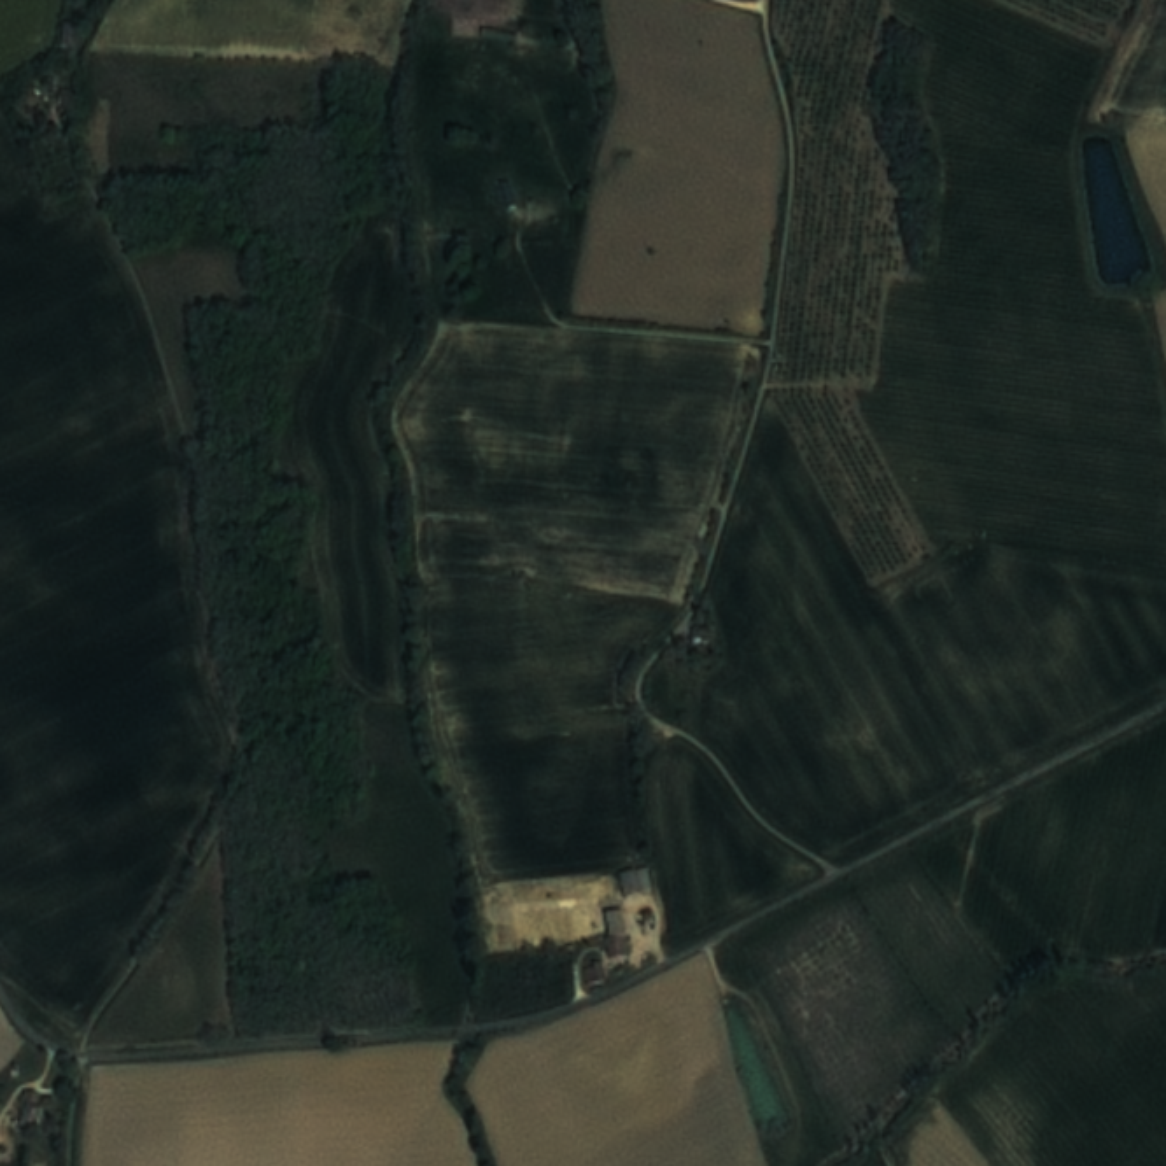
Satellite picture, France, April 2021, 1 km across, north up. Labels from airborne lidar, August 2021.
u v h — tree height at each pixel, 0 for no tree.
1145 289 28
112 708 0
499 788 0
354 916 19
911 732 0
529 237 0
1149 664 0
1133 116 0
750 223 0
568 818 0
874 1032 0
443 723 0
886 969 0
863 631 0
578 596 0
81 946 0
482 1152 20
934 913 11
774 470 0
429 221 0
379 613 0
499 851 0
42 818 0
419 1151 0
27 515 0
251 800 19
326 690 18
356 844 0
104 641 0
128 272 0
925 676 0
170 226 23
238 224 27
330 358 0
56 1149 16
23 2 0
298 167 20
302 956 21
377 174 21
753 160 0
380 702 0
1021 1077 0
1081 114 0
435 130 0
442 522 0
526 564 0
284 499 24
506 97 0
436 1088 0
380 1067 0
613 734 0
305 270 19
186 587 0
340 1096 0
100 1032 0
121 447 0
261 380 25
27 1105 0
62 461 0
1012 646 0
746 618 0
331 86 21
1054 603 0
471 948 25
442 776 12
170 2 0
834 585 0
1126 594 0
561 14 0
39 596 0
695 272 0
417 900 0
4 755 0
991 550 0
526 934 0
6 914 0
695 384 0
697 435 0
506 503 0
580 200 9
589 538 0
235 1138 0
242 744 10
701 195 0
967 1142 0
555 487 0
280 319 18
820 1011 0
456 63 0
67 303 0
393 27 0
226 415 16
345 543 0
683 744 0
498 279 0
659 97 0
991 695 0
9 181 0
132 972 0
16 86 6
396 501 13
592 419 0
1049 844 0
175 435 0
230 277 0
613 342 0
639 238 0
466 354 0
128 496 0
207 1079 0
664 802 0
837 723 0
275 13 0
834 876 0
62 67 6
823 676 0
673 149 0
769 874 0
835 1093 0
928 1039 0
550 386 0
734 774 0
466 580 0
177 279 0
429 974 0
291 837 18
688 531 0
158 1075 0
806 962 0
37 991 0
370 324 0
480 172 0
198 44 0
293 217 20
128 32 0
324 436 0
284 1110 0
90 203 0
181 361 0
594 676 0
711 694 0
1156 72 0
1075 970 16
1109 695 0
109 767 0
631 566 0
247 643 19
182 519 0
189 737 0
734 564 0
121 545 0
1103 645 0
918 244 13
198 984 0
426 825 0
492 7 0
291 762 25
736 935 0
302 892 20
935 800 0
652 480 0
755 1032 0
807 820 0
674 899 0
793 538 0
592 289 0
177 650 0
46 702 0
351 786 17
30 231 0
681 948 0
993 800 0
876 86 12
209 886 0
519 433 0
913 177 15
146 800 0
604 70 16
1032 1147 0
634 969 0
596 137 12
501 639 0
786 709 0
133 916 0
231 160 18
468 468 0
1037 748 0
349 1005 17
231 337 21
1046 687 0
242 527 19
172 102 0
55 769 0
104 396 0
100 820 0
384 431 8
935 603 0
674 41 0
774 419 0
